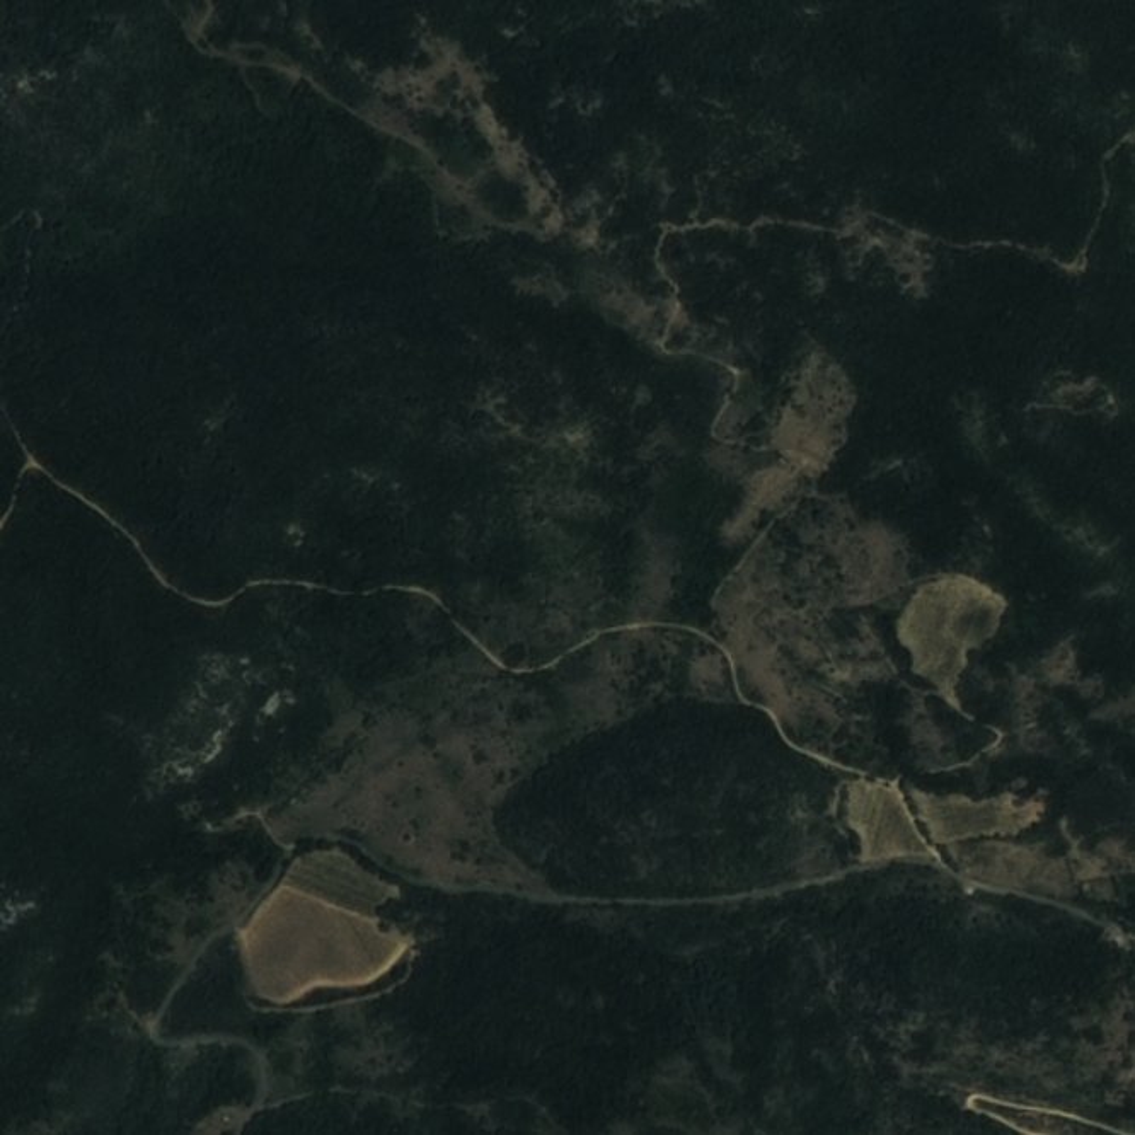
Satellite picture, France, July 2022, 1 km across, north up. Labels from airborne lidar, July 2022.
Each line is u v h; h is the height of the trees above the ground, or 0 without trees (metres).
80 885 7
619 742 7
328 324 11
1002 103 9
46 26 6
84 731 10
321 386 6
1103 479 6
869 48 10
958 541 6
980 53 9
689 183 6
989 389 6
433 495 9
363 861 13
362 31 7
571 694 0
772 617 0
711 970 9
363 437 7
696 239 6
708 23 6
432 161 0
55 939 8
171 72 7
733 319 7
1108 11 7
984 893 6
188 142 7
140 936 6
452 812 0
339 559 9
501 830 7
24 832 10
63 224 13
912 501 6
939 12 8
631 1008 6
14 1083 10
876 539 0
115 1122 6
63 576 8
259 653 8
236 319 6
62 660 6
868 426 8
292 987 0
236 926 0
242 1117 0
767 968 8
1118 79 7
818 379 0
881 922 6
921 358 8
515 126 6
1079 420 6
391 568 6
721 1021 6
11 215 8
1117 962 8
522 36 8
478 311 6
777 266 6
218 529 12
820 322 7
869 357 7
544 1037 7
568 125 6
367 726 6
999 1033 8
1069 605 7
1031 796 9
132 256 13
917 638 0
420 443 6
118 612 8
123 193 7
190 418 6
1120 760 10
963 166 6
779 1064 6
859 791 0
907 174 7
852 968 6
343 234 9
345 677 8
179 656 5
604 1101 9
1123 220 7
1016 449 6
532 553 7
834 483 6
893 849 0
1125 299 12
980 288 7
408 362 7
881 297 9
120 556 8
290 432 7
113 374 8
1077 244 8
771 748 6
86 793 6
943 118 9
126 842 6
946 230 8
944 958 6
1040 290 8
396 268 8
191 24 0
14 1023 6
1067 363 7
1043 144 9
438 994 8
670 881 6
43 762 6
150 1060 7
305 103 5
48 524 8
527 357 6
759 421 10
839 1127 7
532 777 6
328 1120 5
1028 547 6
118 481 6
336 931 0
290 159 9
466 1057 6
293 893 0
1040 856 0
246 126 9
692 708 6
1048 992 7
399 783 0
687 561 7
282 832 0
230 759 8
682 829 6
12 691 6
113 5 8
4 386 9
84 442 6
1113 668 10
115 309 9
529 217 0
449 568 7
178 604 6
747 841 6
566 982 7
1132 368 6
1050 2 7
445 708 8
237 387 7
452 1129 7
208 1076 6
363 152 6
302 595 8
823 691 0
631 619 0
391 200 7
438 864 0
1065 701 6
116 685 6
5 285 13
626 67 9
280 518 7
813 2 7
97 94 5
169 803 9
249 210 9
